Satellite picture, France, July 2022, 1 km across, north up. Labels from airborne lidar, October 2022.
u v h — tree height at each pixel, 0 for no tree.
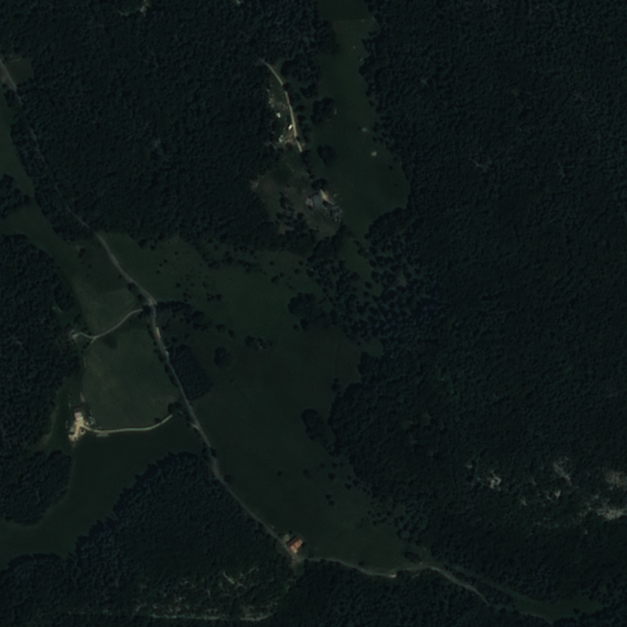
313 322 21
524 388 19
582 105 19
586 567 24
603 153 15
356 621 23
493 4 21
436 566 0
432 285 10
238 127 20
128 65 19
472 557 21
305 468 0
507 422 20
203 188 21
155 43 24
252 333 0
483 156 17
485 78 16
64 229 20
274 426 0
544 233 19
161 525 18
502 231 16
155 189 23
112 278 0
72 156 21
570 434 13
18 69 0
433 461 20
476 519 14
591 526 16
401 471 14
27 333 25
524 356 19
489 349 17
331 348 0
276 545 18
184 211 24
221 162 18
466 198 17
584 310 22
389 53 13
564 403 16
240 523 21
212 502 24
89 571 20
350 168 0
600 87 18
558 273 24
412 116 16
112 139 23
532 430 16
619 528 21
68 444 0
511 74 20
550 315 21
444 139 17
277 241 17
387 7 23
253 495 0
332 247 15
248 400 0
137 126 26
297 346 0
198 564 16
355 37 0
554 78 21
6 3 16
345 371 0
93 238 18
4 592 24
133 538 18
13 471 22
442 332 29
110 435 0
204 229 9
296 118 0
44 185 21
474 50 17
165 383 0
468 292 28
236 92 16
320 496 0
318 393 0
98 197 23
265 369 0
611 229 22
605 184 19
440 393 26
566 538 22
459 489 17
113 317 0
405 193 0
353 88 0
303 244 16
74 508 0
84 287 0
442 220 20
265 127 14
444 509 14
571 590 23
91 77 21
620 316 21
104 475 0
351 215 0
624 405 17
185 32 30
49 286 20
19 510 12
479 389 14
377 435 16
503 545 27
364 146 0
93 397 0
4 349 18
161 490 20
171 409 13
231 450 0
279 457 0
